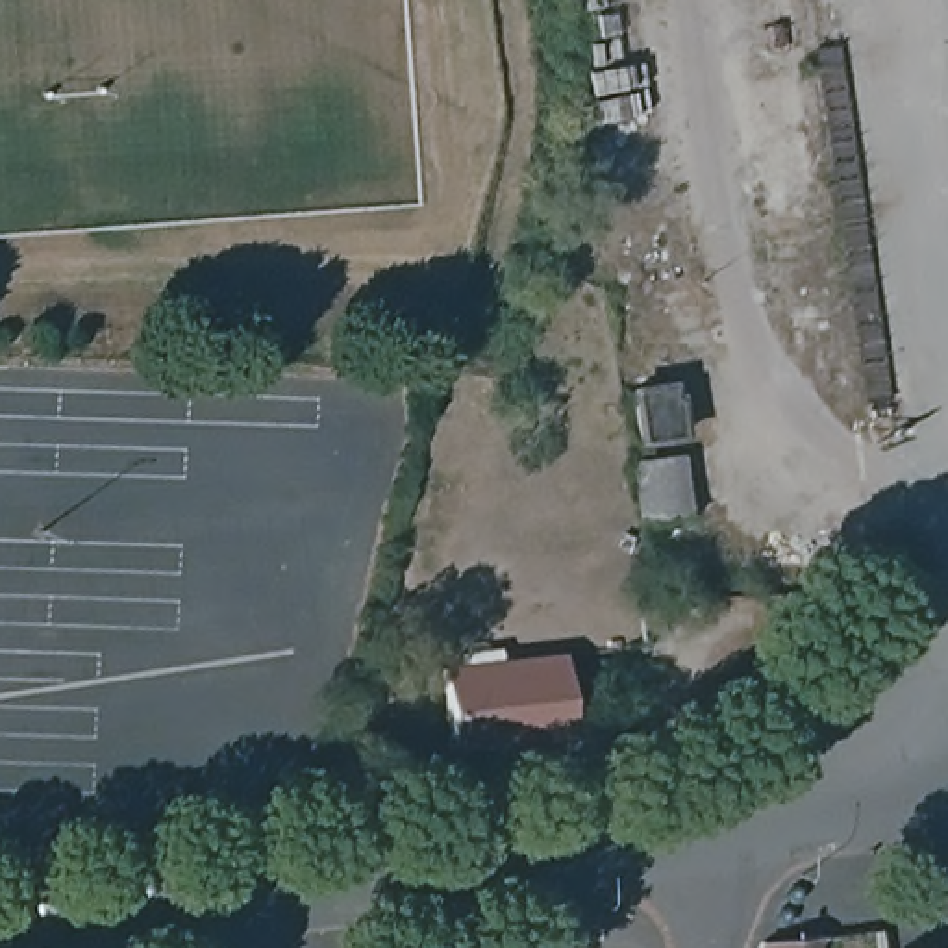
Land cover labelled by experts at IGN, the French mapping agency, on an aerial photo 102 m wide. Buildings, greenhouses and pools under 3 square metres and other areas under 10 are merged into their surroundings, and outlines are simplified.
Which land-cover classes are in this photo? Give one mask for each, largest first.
<instances>
[{"label":"impervious surface","instance_id":"1","mask_svg":"<svg viewBox=\"0 0 948 948\"><path fill-rule=\"evenodd\" d=\"M633 15V48H648L659 63L663 130L655 133V167L667 178L689 185L685 196L692 207V222L700 230L704 263L715 274V296L722 315L726 359L707 374L715 415L700 422L711 496L726 507L730 522L770 544L774 563L796 567H807L811 555L826 548L833 533L855 559H900L904 574H911L926 589L937 611L941 630L929 652L874 700L870 715H859L844 726L826 722L815 733V755H822V774L815 778V792L796 807L763 815L707 848H689L678 855H644L615 841H596L585 852L559 859L507 855L493 878L526 881L541 907L567 904L578 918V937H585L589 948H755L767 941L781 944L807 937H833V948H948V922L929 933L900 929L896 922L878 918L867 907L863 881L881 848L900 844L933 855L937 867L948 874V119L933 111H922L915 119L900 104L896 41H870L863 33L848 41L874 193L900 407L907 415L926 407L933 411L929 422L911 430V444L892 452H885L878 441H867L852 426L833 418L815 385L785 356L778 330L767 318V296L755 285V259L748 241L752 193L763 185L759 163L767 156L741 152V133L726 104L722 67L711 59L707 48V26L715 19L704 11V0H626ZM404 415L400 404L367 400L333 381H285L267 393V400L181 404L148 396L144 385L133 378L78 370H0V852L11 855L19 867L48 878L52 844L63 826L74 822L89 830H107L111 837L130 833L137 841L133 863L152 859L156 826L163 822L174 800H218L222 807H237L248 818H267L274 789H293L304 778V770H326V785H344L348 800H356L367 785L359 752L344 741H315V707L322 696H330L337 663L348 659L352 633V611L363 589L378 530ZM496 381L485 374H459L455 396L433 433L430 467L437 474L459 478L448 533L437 541V559L448 570L430 585H407L396 596L411 607H422L433 637L452 641V652H463L467 659L489 648H500L511 659L570 655L581 700L593 696L596 674L615 670V696L648 692L652 707L644 718L633 722L596 726L581 718L555 726L504 722L485 741H455V726L444 700H400L378 707L367 722L374 737H385L389 744L411 755L415 770L437 774L441 767H459L467 789L481 785L485 800H504L511 792L518 755L541 752L567 767V781L589 789L607 778V755L622 737L667 733L670 726L678 730V711L685 704L715 711L722 685L759 670L752 626L767 622V607L759 600H737L722 611L718 622L704 633L674 626L655 652H644L641 637L648 633V618L644 611H637L633 596H626V578L637 548V526L626 518V459L581 444L570 433L567 452L555 463L526 470L511 452V433L493 411ZM404 881L393 878H381L374 889H356L348 900L307 907L293 892H281L270 878H263L256 881L252 900L230 915H189L170 900H152L115 926H74L52 911V904H37L41 918L30 922L26 933L0 941V948H130V944H137V941L144 944V941L152 937V929H159V926H163V929H174V933H193V937H196V948H337L341 926H367L363 915L374 904V892L400 904Z\"/></svg>","mask_w":948,"mask_h":948},{"label":"herbaceous vegetation","instance_id":"2","mask_svg":"<svg viewBox=\"0 0 948 948\"><path fill-rule=\"evenodd\" d=\"M537 67L526 0H0V330L22 333L26 326H56L81 330L89 337V344L67 359H44L37 352L30 359L0 356V370H78L133 378L137 370L130 363V348L137 344L141 318L148 304H156V296L167 293L207 304L211 330H241L252 318V311L274 315V330L267 341H274L289 363L281 370L285 381H333V367H315L300 359L304 348L318 337L322 315L330 307L348 311L359 289L374 300H385L389 318H404L411 333H444L455 341L459 352L474 356L489 344V333L500 322L504 304L500 270L493 267V256L515 244L526 159L533 152ZM589 19L596 22L593 89L600 96L607 126L581 137V196H593L596 181H607L611 196L622 204L615 207L611 233L596 252H567V281H574L578 289L570 300L559 304V318L537 341V359L526 363L544 400L559 385L567 389L570 433L581 444L626 459L630 448L618 393H637L641 437H652L655 459L641 463V507L644 518L655 522L689 515L696 507L700 533L678 537L670 555L692 567V593L707 596V604L722 611L737 600L733 578H759L778 596L800 593L796 567L774 563L770 544L730 522L726 507L711 496L700 422L715 415L707 374L726 359L722 315L715 296V274L704 263L700 230L692 222V207L685 196L689 185L667 178L655 167V133L663 130L659 63L648 48H633V15L626 0H589ZM593 259H600L607 274L626 285L630 352L622 356L615 352L607 293L585 285V278L593 274ZM800 133L807 141L815 167L807 196H785V211H770L763 185L752 193L748 241L755 259V285L767 296V318L778 330L785 356L815 385L833 418L852 426L867 418L874 407L859 378V330L852 289L841 293V270H848V226L833 215V196L818 181L826 170H833L830 137L822 133V81L807 63H800ZM459 478L437 474L430 467V485L418 504L415 526L400 533L396 563L407 570V585H430L448 570L437 559V541L448 533ZM385 541V533L378 530L363 589L352 611V633H363V607L374 593V559L381 552L378 544Z\"/></svg>","mask_w":948,"mask_h":948},{"label":"deciduous trees","instance_id":"3","mask_svg":"<svg viewBox=\"0 0 948 948\"><path fill-rule=\"evenodd\" d=\"M537 67L533 152L526 159L515 244L493 256V267L500 270L504 304L500 322L489 333V344L474 356L459 352L455 341L444 333H411L404 318H389L385 300H374L359 289L348 311L330 307L322 315L318 337L304 348L300 359L315 367H333V381L367 400L400 404L404 415L378 530L385 533V541L378 544L381 552L374 559V593L363 607V633H352L348 659L337 663L330 696H322L315 707V741H344L359 752L367 785L356 800H348L344 785H326V770H304V778L293 789H274L267 818H248L237 807H222L218 800H174L163 822L156 826L152 859L133 863L137 841L130 833L111 837L107 830H89L74 822L63 826L52 844L48 878L19 867L11 855L0 852V941L26 933L30 922L41 918L37 904H52V911L74 926H115L152 900H170L189 915H230L252 900L256 881L263 878H270L281 892H293L307 907L348 900L356 889H374L381 878H393L404 881L400 904L374 892V904L363 915L367 926H341L337 948H589L585 937H578V918L567 904L541 907L526 881L493 878L507 855L559 859L585 852L596 841H615L644 855H678L689 848H707L763 815L796 807L815 792V778L822 774V755H815V733L826 722L844 726L859 715H870L874 700L929 652L941 630L937 611L926 589L911 574H904L900 559H855L833 533L826 548L811 555L807 567H796L800 593L778 596L759 578H733L737 600H759L767 607V622L752 626L759 670L722 685L715 711L685 704L678 711V730L670 726L667 733L622 737L607 755V778L589 789L567 781V767L541 752L518 755L511 792L504 800H485L481 785L467 789L459 767H441L437 774L415 770L411 755L389 744L385 737H374L367 722L378 707L400 700H444V689L467 659L463 652H452V641L433 637L422 607H411L396 596L407 585V570L396 563L400 533L415 526L418 504L430 485V467L433 433L455 396L459 374H485L496 381L493 411L511 433V452L526 470L555 463L567 452L570 433L567 389L559 385L544 400L526 363L537 359V341L559 318V304L570 300L578 289L574 281H567V252H596L611 233L615 207L622 204L611 196L607 181H596L593 196H581V137L607 126L600 96L593 89L596 22L589 19V0H526ZM274 330V315L252 311V318L241 330H211L207 304L167 293L156 296V304H148L141 318L137 344L130 348V363L137 370L133 378L144 385L148 396L181 404L267 400V393L285 381L281 370L289 363L274 341H267ZM89 344V337L81 330L56 326H26L22 333L0 330V356L30 359L37 352L44 359H67ZM700 533L696 507L689 515L655 522L648 530V541L637 548L626 578V596H633L637 611H644L648 618V633L641 637L644 652H655L674 626L704 633L718 622L722 611L707 604V596L692 593V567L670 555L678 537ZM652 707L648 692L615 696V670L596 674L593 696L581 700V718L596 726L633 722L644 718ZM867 907L878 918L896 922L900 929L929 933L948 922V874L937 867L933 855L900 844L881 848L863 881ZM130 948H196V937H193V933H174V929H163V926H159V929H152V937L144 941V944L137 941V944H130Z\"/></svg>","mask_w":948,"mask_h":948},{"label":"pervious surface","instance_id":"4","mask_svg":"<svg viewBox=\"0 0 948 948\"><path fill-rule=\"evenodd\" d=\"M704 11L715 19L707 26V48L711 59L722 67L726 104L741 133V152L767 156L759 163L763 185L770 211H785V196H807L815 167L807 141L800 133V63H807L822 81V133L830 137L833 170H826L818 181L833 196V215L848 226V270H841V293L852 289L859 330V378L874 407L867 418L852 426L867 441H878L885 452H892L911 444V430L929 422L933 411L926 407L907 415L900 407L874 193L848 41L863 33L870 41H896L900 104L915 119L922 111H933L948 119V0H704Z\"/></svg>","mask_w":948,"mask_h":948},{"label":"building","instance_id":"5","mask_svg":"<svg viewBox=\"0 0 948 948\"><path fill-rule=\"evenodd\" d=\"M455 726V741H485L504 722L555 726L581 718V700L570 655L511 659L500 648H489L467 659L444 689V700ZM755 948H833V937H807L781 944L767 941Z\"/></svg>","mask_w":948,"mask_h":948},{"label":"brushwood","instance_id":"6","mask_svg":"<svg viewBox=\"0 0 948 948\"><path fill-rule=\"evenodd\" d=\"M585 285L607 293L615 352L622 356L630 352L626 285L607 274L600 259H593V274L585 278ZM630 448L626 459V518L637 526V548L648 541V530L655 522L644 518L641 507V463L655 459L652 437H641L637 393H618Z\"/></svg>","mask_w":948,"mask_h":948}]
</instances>
